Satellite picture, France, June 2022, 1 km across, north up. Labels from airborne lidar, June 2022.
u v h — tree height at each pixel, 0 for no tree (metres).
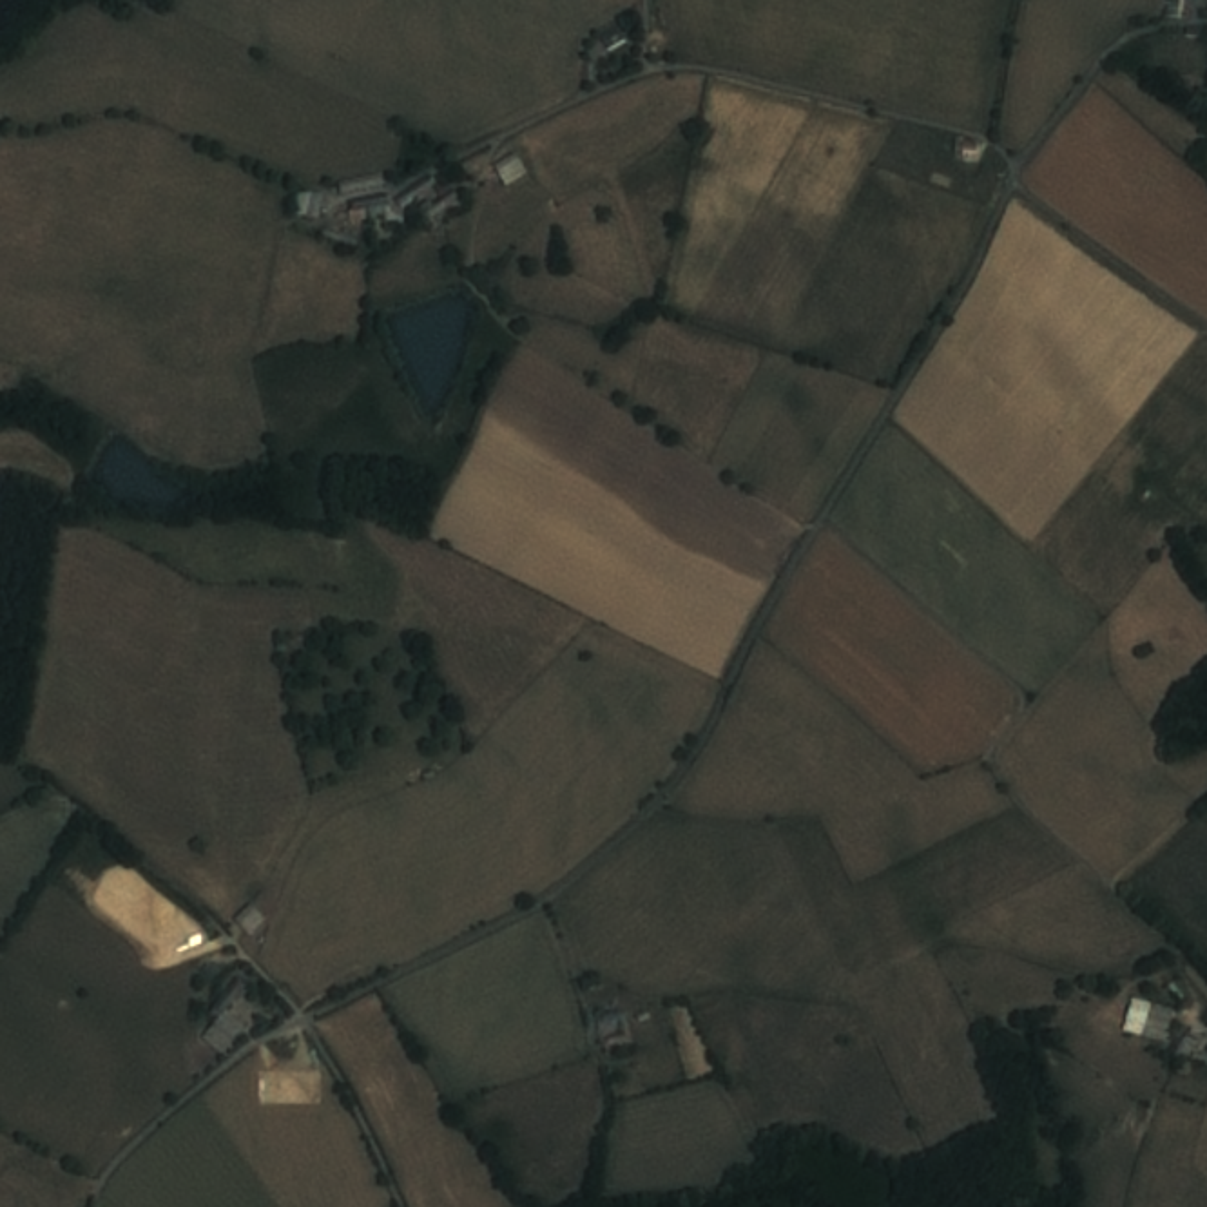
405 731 0
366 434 0
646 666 0
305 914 0
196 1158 0
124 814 0
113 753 0
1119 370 0
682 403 0
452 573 0
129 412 0
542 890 0
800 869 0
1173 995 8
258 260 0
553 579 0
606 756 0
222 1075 0
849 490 0
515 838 0
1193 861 0
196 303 0
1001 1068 24
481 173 0
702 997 0
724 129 0
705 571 0
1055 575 0
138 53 0
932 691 0
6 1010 0
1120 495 0
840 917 0
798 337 0
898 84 0
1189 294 0
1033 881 0
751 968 0
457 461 0
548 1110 0
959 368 0
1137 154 0
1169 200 0
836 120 0
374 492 22
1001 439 0
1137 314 0
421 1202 0
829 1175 0
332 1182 0
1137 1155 0
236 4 0
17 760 14
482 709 0
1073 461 0
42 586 19
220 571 0
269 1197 0
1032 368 0
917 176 0
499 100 0
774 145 0
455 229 0
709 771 0
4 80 0
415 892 0
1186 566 18
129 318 0
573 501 0
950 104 0
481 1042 0
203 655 0
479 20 0
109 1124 0
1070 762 0
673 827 0
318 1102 0
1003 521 0
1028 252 0
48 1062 0
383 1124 0
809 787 0
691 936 0
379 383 0
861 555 0
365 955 0
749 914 0
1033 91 0
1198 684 19
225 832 0
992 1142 17
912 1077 0
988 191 0
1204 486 0
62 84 0
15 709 21
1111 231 0
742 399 0
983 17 0
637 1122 0
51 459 0
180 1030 0
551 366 0
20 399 16
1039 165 0
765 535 0
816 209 0
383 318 6
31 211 0
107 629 0
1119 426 0
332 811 0
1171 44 0
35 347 0
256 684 0
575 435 0
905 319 0
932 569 0
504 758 0
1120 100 0
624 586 0
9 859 0
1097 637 0
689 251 0
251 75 0
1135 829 0
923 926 0
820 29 0
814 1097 0
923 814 0
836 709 0
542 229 0
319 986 0
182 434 0
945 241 0
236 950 9
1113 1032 0
